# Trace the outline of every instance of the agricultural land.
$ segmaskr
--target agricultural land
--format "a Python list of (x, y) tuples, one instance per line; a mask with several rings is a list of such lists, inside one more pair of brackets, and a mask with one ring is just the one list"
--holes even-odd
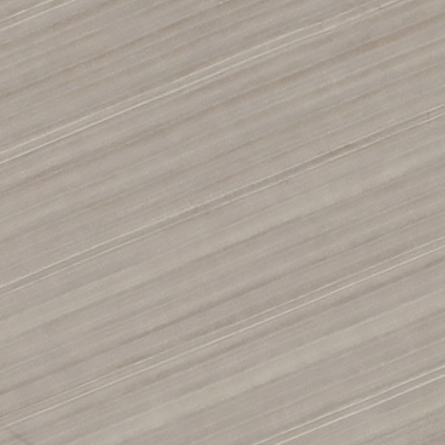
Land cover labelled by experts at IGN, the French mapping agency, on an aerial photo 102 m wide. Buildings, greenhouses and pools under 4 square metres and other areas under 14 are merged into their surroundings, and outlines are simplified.
[(0, 445), (445, 445), (445, 0), (0, 0)]

